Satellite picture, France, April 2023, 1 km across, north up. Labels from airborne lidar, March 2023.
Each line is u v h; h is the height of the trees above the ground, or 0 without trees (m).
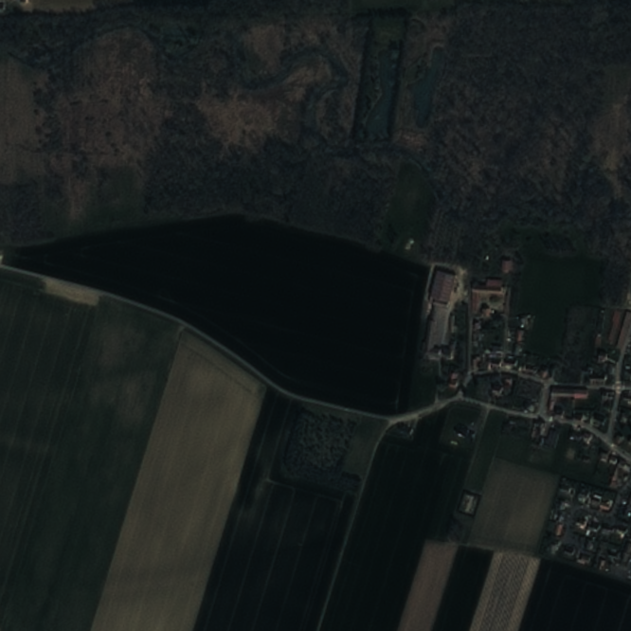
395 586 0
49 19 11
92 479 0
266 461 0
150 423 0
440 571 0
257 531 0
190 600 0
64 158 0
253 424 0
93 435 0
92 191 0
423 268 0
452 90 6
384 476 0
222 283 0
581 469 0
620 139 0
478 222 20
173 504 0
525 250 0
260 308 0
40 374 0
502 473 0
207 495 0
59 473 0
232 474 0
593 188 13
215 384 0
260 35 0
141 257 0
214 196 21
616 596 0
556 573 0
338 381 0
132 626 0
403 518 0
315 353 0
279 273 0
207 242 0
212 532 0
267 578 0
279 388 0
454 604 0
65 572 0
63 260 0
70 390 0
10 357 0
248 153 24
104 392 0
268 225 0
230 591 0
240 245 0
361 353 0
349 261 0
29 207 13
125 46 0
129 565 0
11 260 0
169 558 0
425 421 0
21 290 0
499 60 20
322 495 0
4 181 0
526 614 0
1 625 0
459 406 0
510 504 0
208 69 7
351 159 18
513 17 17
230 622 0
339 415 0
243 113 0
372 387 0
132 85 0
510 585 0
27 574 0
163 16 25
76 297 0
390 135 12
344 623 0
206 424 0
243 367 0
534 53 24
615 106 0
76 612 0
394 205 0
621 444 12
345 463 7
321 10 21
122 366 0
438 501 0
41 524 0
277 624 0
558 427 13
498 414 0
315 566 0
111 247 0
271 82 18
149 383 0
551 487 0
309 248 0
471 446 0
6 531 0
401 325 0
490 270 10
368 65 12
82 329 0
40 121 0
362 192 20
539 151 15
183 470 0
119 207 0
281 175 26
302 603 0
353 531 0
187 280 0
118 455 0
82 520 0
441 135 16
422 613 0
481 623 0
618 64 22
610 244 33
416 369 0
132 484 0
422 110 0
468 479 0
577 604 0
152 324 0
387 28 0
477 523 0
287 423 0
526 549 0
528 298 0
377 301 0
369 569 0
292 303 0
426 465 0
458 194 23
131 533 0
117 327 0
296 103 0
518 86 23
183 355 0
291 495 0
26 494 0
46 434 0
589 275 0
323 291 0
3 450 0
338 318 0
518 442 0
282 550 0
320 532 0
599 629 0
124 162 0
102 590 0
